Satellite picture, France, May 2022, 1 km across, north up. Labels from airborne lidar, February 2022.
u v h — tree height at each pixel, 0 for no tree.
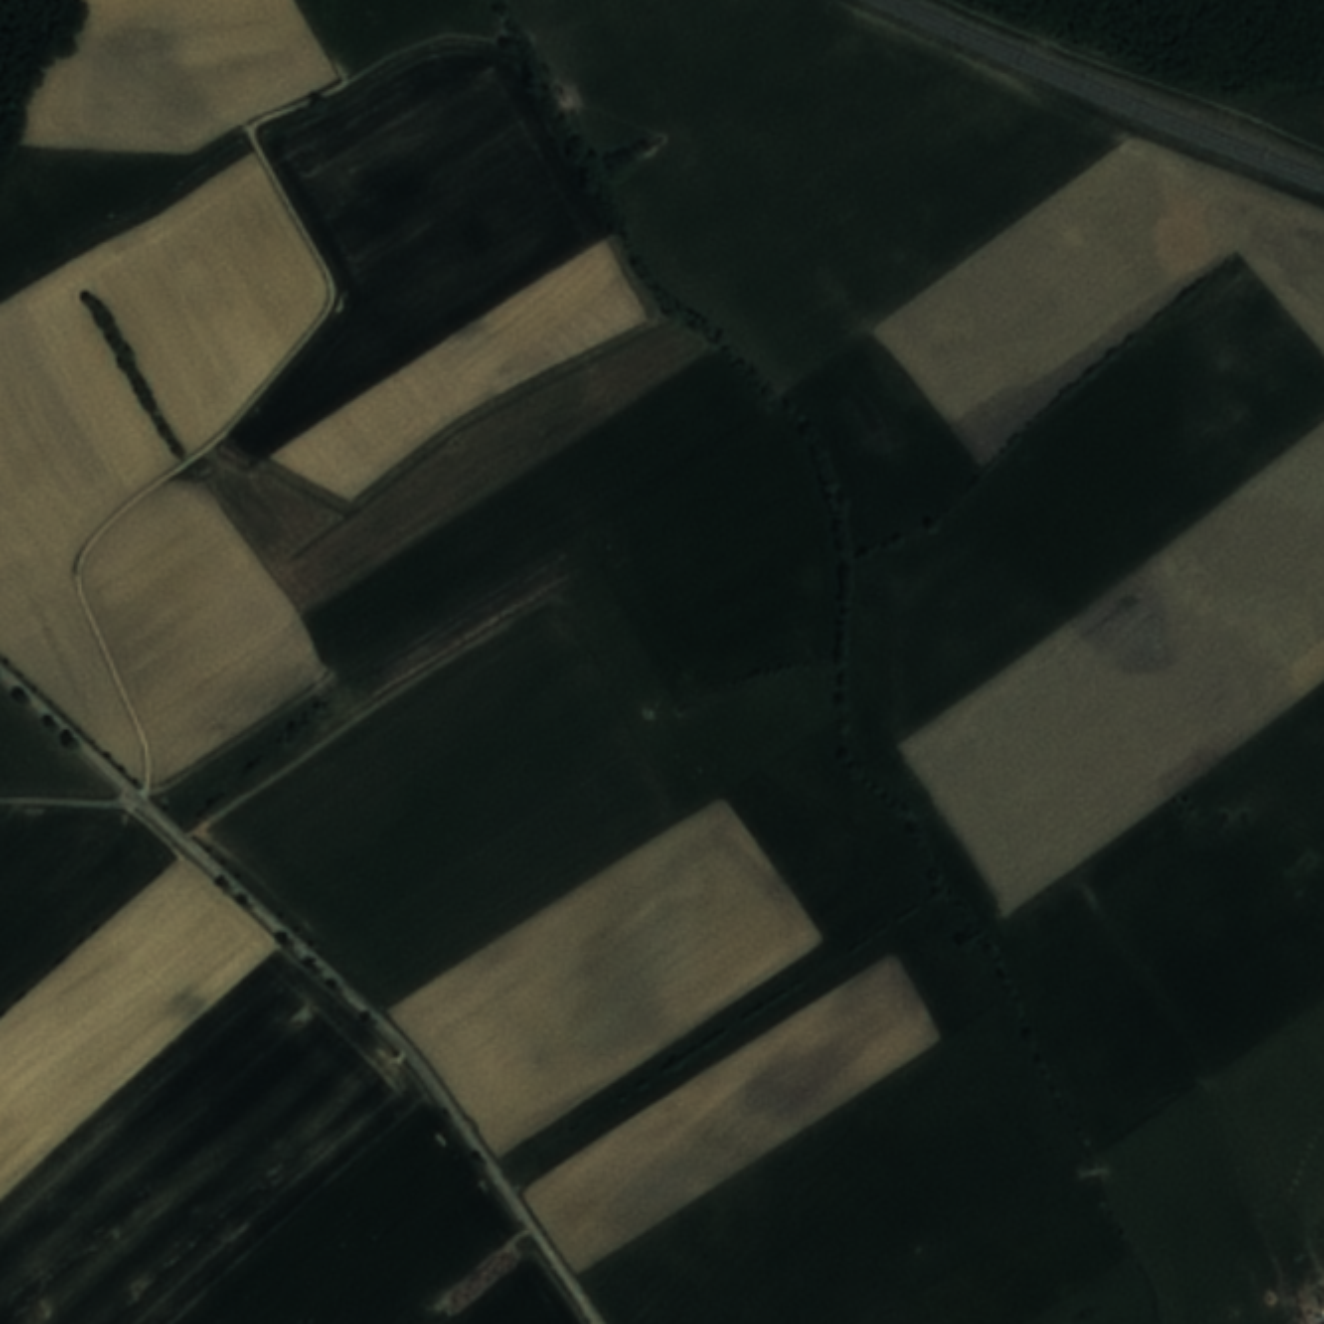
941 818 0
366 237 0
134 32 0
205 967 0
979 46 0
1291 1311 0
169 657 0
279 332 0
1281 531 0
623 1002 0
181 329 0
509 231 0
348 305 0
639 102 0
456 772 0
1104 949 0
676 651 0
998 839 0
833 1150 0
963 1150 0
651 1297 0
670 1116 0
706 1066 0
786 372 0
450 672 0
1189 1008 0
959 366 0
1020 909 0
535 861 0
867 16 0
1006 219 0
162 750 0
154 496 0
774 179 0
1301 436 0
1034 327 0
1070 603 0
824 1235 0
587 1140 0
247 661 0
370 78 0
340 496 0
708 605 0
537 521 0
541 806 0
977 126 0
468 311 0
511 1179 0
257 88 0
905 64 0
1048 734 0
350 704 0
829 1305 0
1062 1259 0
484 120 0
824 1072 0
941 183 0
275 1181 0
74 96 0
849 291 0
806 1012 0
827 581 0
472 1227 0
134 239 0
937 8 0
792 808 0
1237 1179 0
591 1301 0
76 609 0
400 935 0
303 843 0
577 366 0
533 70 14
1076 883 0
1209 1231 0
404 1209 0
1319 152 0
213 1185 0
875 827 0
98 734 0
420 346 0
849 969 0
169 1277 0
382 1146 0
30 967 0
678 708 0
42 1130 0
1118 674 0
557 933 0
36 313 0
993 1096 0
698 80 0
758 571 0
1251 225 0
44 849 0
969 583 0
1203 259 0
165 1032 0
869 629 0
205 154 0
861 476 0
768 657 0
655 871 0
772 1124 0
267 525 0
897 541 6
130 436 0
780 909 0
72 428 0
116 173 0
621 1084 0
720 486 0
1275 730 0
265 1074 0
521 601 0
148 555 0
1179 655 0
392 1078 0
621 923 0
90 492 0
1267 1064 0
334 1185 0
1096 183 0
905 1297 0
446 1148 0
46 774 0
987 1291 0
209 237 0
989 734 0
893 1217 0
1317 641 0
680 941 0
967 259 0
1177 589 0
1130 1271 0
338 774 0
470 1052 0
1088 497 0
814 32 0
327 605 0
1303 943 0
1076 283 0
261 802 0
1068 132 0
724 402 0
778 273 0
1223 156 0
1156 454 0
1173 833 0
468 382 0
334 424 0
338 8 0
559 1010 0
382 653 0
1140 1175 0
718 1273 0
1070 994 0
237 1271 0
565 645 0
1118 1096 0
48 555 0
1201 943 0
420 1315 0
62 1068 0
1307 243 0
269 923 0
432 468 0
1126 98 0
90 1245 0
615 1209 0
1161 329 0
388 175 0
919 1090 0
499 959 0
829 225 0
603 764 0
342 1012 0
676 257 0
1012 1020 0
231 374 0
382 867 0
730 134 0
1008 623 0
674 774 0
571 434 0
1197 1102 0
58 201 0
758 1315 0
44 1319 0
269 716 0
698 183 0
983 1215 0
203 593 0
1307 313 0
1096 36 9
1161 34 12
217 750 0
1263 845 0
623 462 0
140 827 0
